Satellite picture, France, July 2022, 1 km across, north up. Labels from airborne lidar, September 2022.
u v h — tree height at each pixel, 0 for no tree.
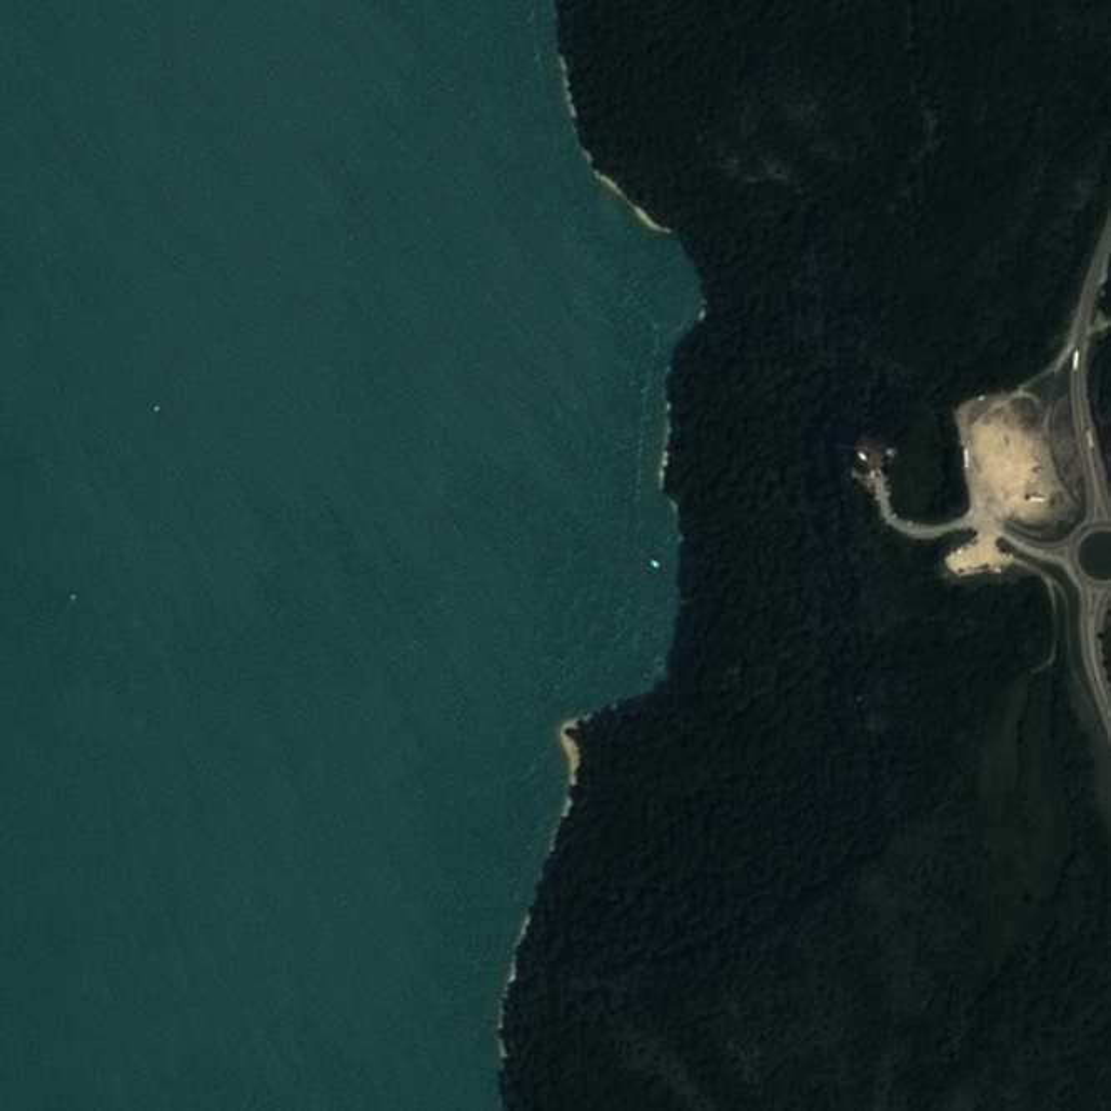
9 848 0
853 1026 8
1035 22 11
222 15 0
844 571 10
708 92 22
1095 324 0
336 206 0
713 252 14
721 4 17
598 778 24
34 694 0
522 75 0
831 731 18
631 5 11
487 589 0
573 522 0
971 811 8
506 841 0
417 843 0
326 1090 0
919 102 6
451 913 0
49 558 0
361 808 0
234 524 0
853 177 16
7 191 0
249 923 0
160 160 0
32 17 0
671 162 12
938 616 15
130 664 0
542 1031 16
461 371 0
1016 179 15
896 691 8
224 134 0
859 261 10
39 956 0
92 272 0
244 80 0
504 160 0
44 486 0
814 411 21
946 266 11
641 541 0
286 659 0
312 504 0
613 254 0
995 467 0
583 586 0
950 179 11
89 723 0
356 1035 0
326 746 0
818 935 7
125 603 0
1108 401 10
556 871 13
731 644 25
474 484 0
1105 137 6
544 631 0
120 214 0
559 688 0
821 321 6
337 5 0
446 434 0
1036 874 0
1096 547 0
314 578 0
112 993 0
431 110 0
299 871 0
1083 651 0
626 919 24
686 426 21
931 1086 13
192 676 0
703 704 20
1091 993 11
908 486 0
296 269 0
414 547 0
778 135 9
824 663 10
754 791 18
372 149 0
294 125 0
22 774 0
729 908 24
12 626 0
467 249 0
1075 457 0
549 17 0
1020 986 18
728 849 24
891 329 9
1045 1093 11
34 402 0
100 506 0
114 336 0
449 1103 0
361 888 0
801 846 23
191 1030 0
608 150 20
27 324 0
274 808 0
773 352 17
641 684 0
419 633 0
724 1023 13
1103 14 7
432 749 0
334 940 0
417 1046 0
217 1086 0
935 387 15
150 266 0
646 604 0
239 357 0
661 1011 12
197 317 0
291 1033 0
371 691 0
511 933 0
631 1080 16
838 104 9
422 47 0
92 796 0
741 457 18
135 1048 0
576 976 7
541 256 0
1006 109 10
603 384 0
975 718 10
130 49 0
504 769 0
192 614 0
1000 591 8
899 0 10
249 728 0
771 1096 10
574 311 0
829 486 17
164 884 0
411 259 0
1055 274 9
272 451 0
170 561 0
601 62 14
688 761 22
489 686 0
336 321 0
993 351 13
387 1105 0
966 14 13
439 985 0
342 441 0
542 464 0
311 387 0
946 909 7
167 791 0
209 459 0
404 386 0
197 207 0
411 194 0
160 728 0
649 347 0
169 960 0
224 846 0
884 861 7
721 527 18
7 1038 0
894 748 7
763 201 18
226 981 0
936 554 8
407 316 0
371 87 0
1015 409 0
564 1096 15
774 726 21
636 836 17
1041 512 0
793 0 18
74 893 0
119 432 0
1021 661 12
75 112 0
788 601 21
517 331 0
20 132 0
